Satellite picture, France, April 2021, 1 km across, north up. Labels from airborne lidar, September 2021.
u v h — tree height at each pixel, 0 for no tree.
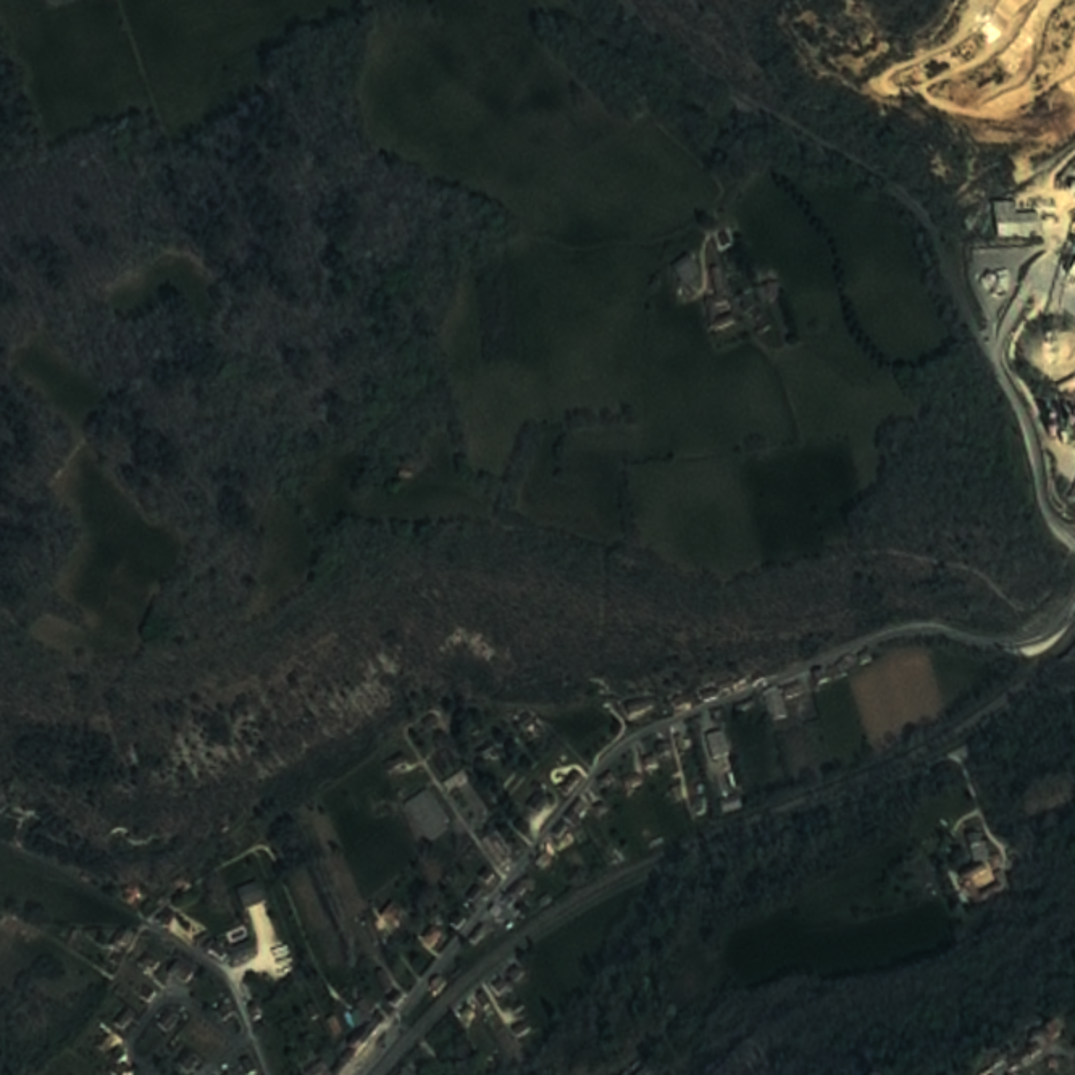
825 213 0
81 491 0
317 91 24
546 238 0
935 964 14
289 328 21
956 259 0
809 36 11
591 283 0
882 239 0
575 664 13
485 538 13
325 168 28
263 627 19
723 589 14
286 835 19
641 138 0
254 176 30
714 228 12
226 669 16
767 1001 8
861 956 0
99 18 0
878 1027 13
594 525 0
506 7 0
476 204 22
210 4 0
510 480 13
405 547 16
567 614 13
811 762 0
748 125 17
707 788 7
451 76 0
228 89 0
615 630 12
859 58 10
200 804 13
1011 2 0
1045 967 20
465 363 0
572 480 0
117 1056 7
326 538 15
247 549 14
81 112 0
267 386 19
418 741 16
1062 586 11
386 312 27
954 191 8
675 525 0
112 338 19
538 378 0
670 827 0
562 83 0
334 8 0
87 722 10
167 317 14
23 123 31
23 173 19
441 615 9
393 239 20
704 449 0
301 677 10
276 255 22
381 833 0
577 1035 21
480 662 13
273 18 0
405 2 28
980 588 8
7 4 0
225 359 18
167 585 13
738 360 0
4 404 24
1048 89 0
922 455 18
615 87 23
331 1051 8
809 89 15
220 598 18
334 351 13
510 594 13
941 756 11
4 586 21
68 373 0
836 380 0
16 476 22
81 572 0
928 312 0
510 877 0
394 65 0
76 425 0
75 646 0
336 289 15
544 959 0
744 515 0
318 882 29
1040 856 22
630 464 8
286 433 22
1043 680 17
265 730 14
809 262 0
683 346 0
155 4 0
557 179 0
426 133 0
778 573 18
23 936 0
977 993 21
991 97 0
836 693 0
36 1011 12
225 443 19
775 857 25
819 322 10
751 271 10
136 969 6
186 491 19
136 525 0
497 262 8
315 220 16
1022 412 0
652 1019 20
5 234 21
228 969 0
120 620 0
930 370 18
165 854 11
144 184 17
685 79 23
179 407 17
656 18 11
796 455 0
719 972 0
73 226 21
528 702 9
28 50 0
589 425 15
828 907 0
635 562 18
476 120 0
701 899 31
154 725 11
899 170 14
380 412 18
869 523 22
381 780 0
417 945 15
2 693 15
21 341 14
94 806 13
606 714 0
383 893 0
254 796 13
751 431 0
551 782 0
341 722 8
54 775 13
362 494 18
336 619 16
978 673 0
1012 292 0
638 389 0
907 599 15
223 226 29
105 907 0
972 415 18
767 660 9
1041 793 37
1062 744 18
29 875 0
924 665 0
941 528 14
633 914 16
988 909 9
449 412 15
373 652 8
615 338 0
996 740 19
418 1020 0
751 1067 10
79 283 21
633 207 0
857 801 21
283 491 15
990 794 21
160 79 0
